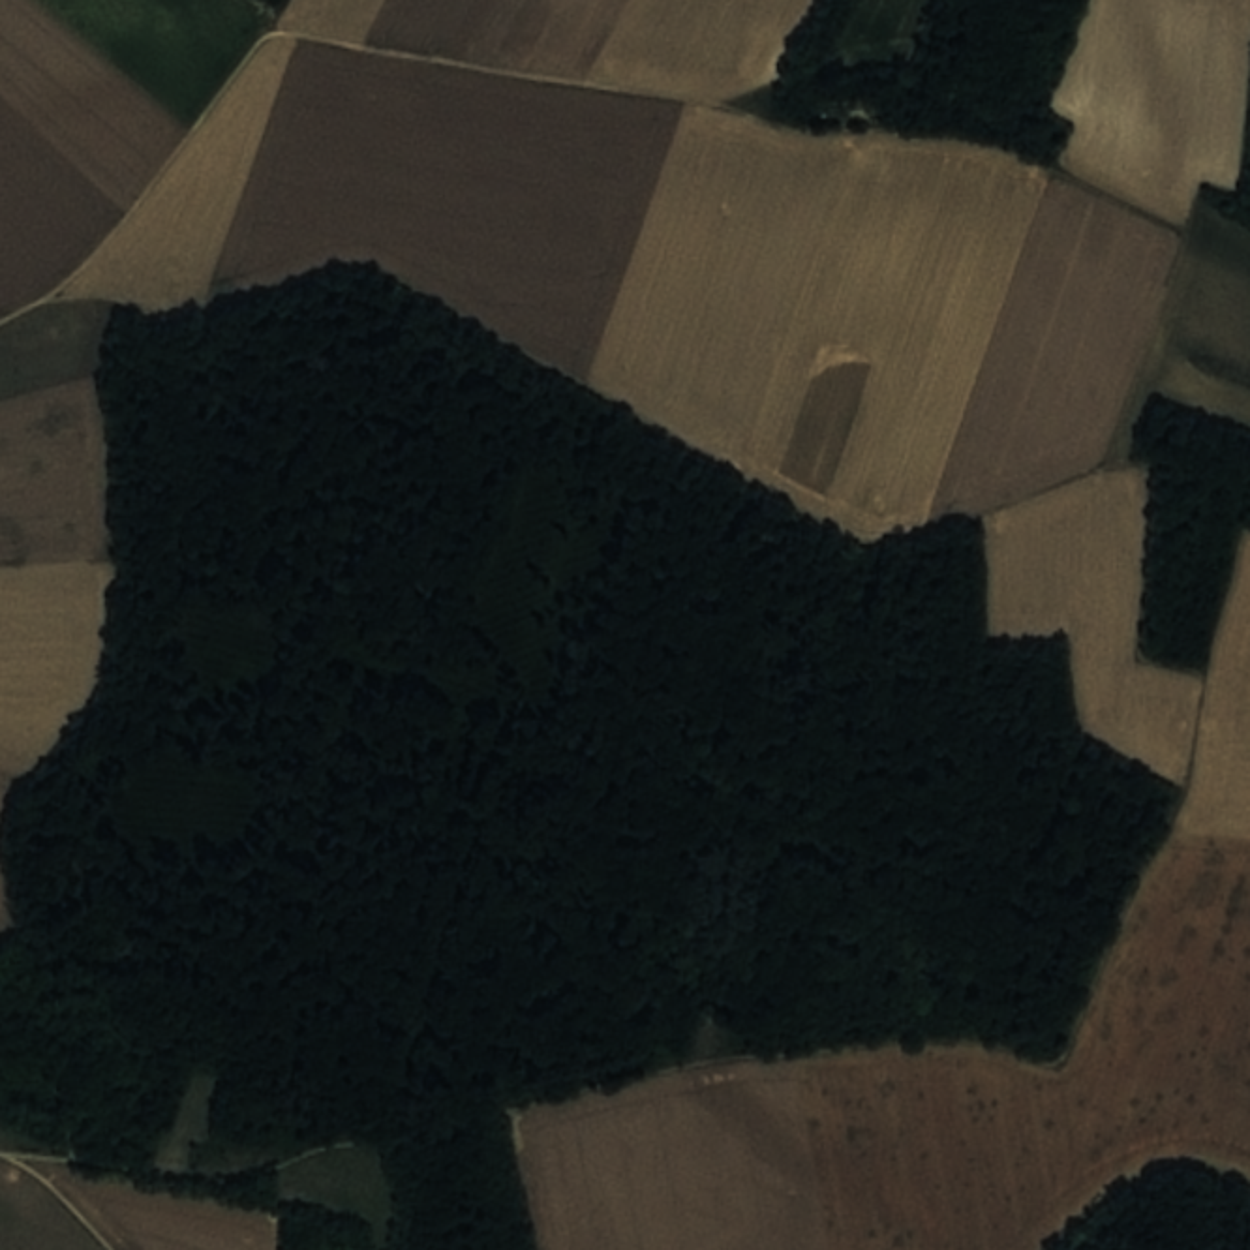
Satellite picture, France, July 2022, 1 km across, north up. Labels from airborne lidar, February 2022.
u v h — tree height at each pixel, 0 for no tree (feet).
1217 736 0
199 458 83
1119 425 0
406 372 88
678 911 83
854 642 87
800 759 82
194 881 100
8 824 44
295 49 0
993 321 0
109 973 63
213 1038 65
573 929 87
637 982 85
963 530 45
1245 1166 0
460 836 93
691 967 48
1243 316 0
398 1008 92
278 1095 66
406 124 0
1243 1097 0
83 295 0
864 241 0
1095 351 0
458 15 0
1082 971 73
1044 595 0
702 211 0
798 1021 68
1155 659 25
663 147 0
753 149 0
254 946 65
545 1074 87
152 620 81
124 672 63
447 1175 74
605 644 84
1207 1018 0
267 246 0
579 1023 91
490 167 0
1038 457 0
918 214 0
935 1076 0
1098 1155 0
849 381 0
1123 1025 0
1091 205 0
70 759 42
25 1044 63
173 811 0
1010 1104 0
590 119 0
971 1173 0
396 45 0
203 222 0
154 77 0
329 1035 89
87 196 0
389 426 100
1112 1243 60
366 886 101
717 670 96
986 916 84
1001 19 82
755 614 81
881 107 39
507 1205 77
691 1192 0
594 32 0
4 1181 0
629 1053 79
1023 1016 60
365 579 89
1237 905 0
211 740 98
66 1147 38
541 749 87
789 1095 0
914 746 82
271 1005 82
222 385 82
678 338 0
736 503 77
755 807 84
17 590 0
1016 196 0
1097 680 0
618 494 94
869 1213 0
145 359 64
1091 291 0
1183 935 0
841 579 69
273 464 83
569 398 45
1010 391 0
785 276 0
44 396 0
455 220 0
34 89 0
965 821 82
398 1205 39
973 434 0
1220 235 0
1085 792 78
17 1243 0
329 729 100
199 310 54
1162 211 0
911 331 0
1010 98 72
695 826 81
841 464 0
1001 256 0
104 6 0
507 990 96
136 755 96
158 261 0
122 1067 64
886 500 0
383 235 0
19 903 54
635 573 82
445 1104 71
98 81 0
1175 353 0
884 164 0
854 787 86
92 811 91
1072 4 53
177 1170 0
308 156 0
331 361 89
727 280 0
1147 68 0
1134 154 0
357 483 93
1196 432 67
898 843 83
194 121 0
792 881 76
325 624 98
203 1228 0
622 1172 0
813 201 0
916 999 64
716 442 0
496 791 87
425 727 88
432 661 89
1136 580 0
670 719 91
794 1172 0
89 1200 0
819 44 56
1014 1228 0
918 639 54
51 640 0
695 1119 0
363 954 99
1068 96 0
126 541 66
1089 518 0
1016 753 87
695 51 0
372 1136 60
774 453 0
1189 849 0
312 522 89
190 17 0
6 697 0
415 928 99
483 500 92
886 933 60
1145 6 0
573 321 0
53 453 0
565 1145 0
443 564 83
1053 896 85
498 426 75
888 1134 0
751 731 86
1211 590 32
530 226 0
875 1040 62
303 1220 51
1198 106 0
